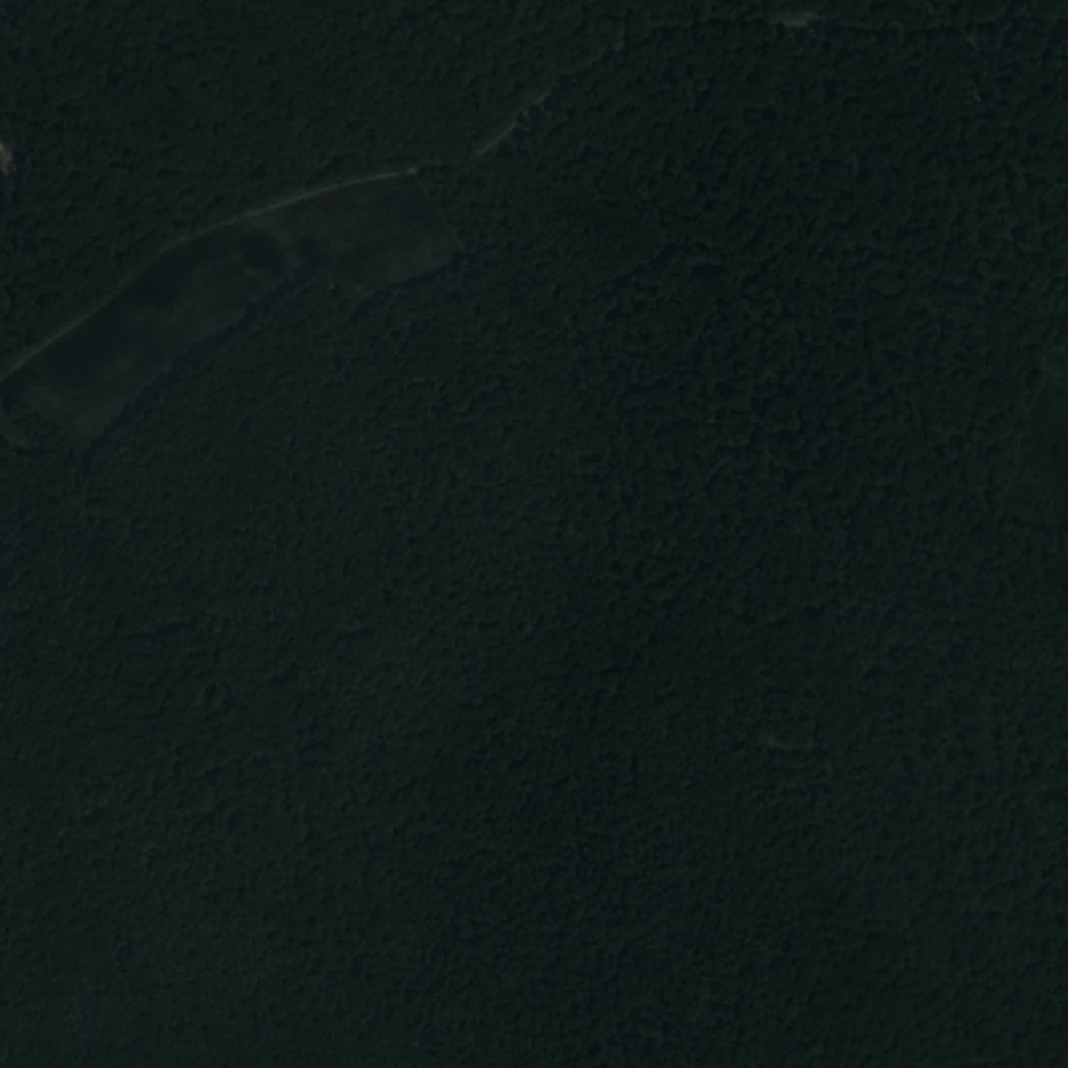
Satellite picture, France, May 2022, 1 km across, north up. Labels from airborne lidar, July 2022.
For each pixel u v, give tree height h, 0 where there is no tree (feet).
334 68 85
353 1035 56
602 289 20
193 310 0
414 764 67
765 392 92
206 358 68
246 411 69
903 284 76
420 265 0
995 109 90
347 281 0
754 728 72
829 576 62
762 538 66
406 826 65
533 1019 53
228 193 67
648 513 66
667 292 59
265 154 80
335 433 67
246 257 0
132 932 73
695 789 52
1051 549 86
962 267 70
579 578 64
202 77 79
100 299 62
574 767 50
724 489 72
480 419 80
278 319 66
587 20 83
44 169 95
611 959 50
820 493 73
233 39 98
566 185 77
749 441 35
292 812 55
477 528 71
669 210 88
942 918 66
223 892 72
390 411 67
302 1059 59
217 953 58
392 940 55
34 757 76
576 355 63
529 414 77
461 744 60
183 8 79
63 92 95
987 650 70
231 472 68
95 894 68
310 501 64
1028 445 19
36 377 0
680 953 48
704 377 73
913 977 62
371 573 83
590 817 50
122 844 70
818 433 68
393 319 72
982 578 59
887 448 62
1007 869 65
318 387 58
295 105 82
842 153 89
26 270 99
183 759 75
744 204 97
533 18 81
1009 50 88
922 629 72
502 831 60
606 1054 43
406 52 88
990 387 62
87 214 100
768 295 66
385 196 0
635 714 61
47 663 74
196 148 88
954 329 73
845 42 89
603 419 79
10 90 86
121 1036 73
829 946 67
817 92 77
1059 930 71
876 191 92
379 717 61
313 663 68
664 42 82
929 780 53
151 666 81
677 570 70
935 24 65
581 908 56
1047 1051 75
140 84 100
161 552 76
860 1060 65
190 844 55
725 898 45
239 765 78
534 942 52
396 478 62
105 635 72
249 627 65
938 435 65
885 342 89
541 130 67
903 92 76
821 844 44
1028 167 90
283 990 55
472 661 62
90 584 91
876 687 73
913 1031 70
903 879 55
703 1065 51
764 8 92
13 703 64
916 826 55
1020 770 62
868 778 58
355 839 73
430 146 69
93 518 79
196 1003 56
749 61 82
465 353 78
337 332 69
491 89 82
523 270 63
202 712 75
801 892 49
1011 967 34
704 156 91
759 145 89
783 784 62
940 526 65
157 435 77
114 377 0
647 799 51
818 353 88
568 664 65
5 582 80
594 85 89
